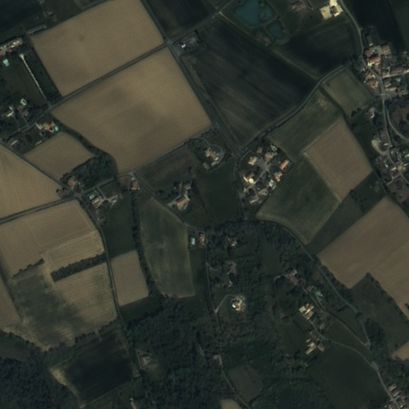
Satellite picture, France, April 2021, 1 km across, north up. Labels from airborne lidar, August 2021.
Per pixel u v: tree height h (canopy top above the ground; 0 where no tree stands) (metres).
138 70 0
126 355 0
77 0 0
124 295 0
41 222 0
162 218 0
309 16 0
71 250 0
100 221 6
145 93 0
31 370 14
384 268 0
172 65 0
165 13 0
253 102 0
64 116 0
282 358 7
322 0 0
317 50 0
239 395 13
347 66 19
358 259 0
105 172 12
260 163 0
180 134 0
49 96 8
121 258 0
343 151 0
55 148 0
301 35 0
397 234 0
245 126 0
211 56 0
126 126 0
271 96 0
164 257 0
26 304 0
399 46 0
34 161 0
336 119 0
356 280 0
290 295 12
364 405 0
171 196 7
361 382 0
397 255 0
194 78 0
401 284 0
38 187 0
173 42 0
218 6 0
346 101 0
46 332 0
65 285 0
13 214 0
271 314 10
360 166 0
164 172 0
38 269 0
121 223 0
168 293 0
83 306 0
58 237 0
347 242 0
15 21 0
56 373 0
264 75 0
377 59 0
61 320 0
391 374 15
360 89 0
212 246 11
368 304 0
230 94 0
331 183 0
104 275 0
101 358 0
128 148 0
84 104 0
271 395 6
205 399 31
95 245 0
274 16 0
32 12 0
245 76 0
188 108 0
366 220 0
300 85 0
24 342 6
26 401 19
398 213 0
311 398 18
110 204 10
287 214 0
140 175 0
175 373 11
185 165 0
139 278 0
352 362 0
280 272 0
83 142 13
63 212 0
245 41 0
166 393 10
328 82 0
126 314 0
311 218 0
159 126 0
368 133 0
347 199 0
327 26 0
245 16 0
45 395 15
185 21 0
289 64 0
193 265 0
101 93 0
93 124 0
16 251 0
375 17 0
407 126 16
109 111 0
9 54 15
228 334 8
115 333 0
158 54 0
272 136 0
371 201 0
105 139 0
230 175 0
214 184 0
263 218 0
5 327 0
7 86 10
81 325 0
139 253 5
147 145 0
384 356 14
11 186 0
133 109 0
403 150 6
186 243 0
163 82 0
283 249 13
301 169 0
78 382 0
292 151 0
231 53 0
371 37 7
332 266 0
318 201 0
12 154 0
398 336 0
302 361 10
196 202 0
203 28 0
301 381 12
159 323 22
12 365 14
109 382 0
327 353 0
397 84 12
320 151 0
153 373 0
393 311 0
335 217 0
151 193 0
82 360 0
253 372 0
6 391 18
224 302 0
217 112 0
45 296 0
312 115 0
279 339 10
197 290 0
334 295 11
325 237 0
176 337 22
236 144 0
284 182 0
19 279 0
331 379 0
